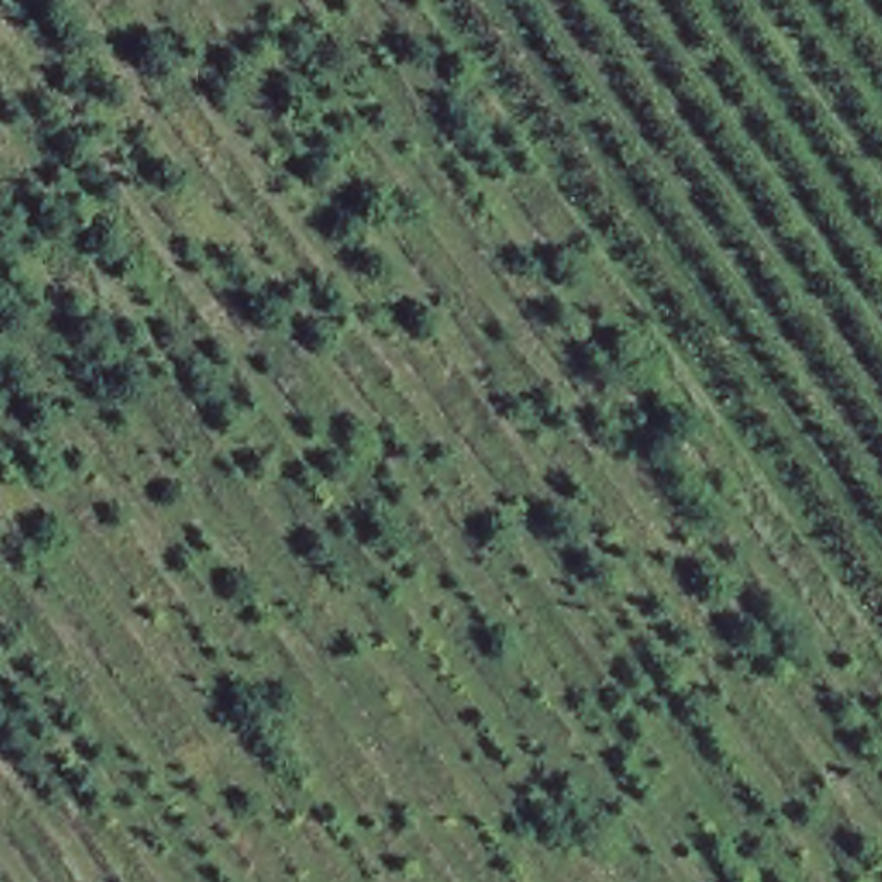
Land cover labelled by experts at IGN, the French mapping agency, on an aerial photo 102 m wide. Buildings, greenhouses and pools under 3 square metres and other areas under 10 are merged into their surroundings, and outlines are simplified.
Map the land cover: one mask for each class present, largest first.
<instances>
[{"label":"herbaceous vegetation","instance_id":"1","mask_svg":"<svg viewBox=\"0 0 882 882\"><path fill-rule=\"evenodd\" d=\"M65 69V41L55 28L48 0H0V193L14 186V200L24 207V214L38 210L41 196L28 189V179L21 172L38 169L45 183H52L65 158L76 152L62 134H52L38 145L31 121L59 90ZM86 31H100L107 38L110 52L103 55L100 72L117 83V93H124L121 103L110 107L103 100H93L90 110L79 100H72V114H86V121L103 124L100 134L79 145V152L86 155V162L107 172V162H121V155L110 148L124 138V127L141 124L148 145V152L134 158L145 186H117V200L131 210L152 255L145 258V269H124V262H107L100 269L107 276L100 283V310L114 314L117 341L148 327L155 345L172 338L176 351L196 345L203 358H214L217 348L231 358H241L245 365L238 369V379L248 386L252 403H265L272 407V413L258 420L255 434L241 444V438L227 431V420L214 403L200 410L189 403V393H196V376L183 355L172 358L176 372L169 376H162V365L148 369V376L155 379L152 400L145 407L124 403L121 413H96V407L90 403L96 389L83 376V365L103 351L83 341L72 289L48 283L45 296L52 314L31 334L38 355L34 365L41 379L34 393L65 396L72 403V410H62V448H79V458L96 455V465L83 486H72L69 493L48 500L45 489H31L28 482L10 489L0 482V724L7 727L24 765L52 792V799L41 803L10 768V761L0 758V882H513L503 868H489V858L472 837V827L479 823L486 827L489 841L510 861L520 882H851V854H858L865 834H875L882 827V772L851 755L865 744V727H844L837 734L830 730V717L817 706L813 686L792 682L782 696V689L768 679L775 668L748 641V627L779 596L789 593L817 627L820 644L827 651V665L820 668L817 682H827L841 696L844 710L861 703L868 713L882 720V620L861 606L851 586L841 582L837 558L820 551L813 524L803 517V503L792 489L806 479L817 482L820 496L830 506V517L844 527L854 555L868 568L865 586H872L882 596V534L858 517L827 458L803 434L799 420L779 400V393L765 382L761 365L748 358L744 345H737L730 334H717L713 345L727 358L730 376L744 382L748 403L755 410L741 413L737 420L724 417L720 403L706 389V372L699 365L693 369L682 358L679 345L668 338V327L658 317V303L627 279L624 269L627 255L644 248L658 262V276L668 283V289H675L686 317H699L710 307V296L703 293L696 272L679 258L665 231L634 203L627 183L617 176L610 158L596 148L593 134L586 131V121H606L613 127L624 158L651 179V186L662 193L665 210L679 214V224L706 252L720 283L737 300V310L748 317L751 331L761 334L765 351L779 358V365L792 376L796 389L806 396L813 420L834 434V441H841L844 458L854 469V479L865 482L868 493L882 489V462L858 441L854 427L830 403L827 389L817 382V376H810L803 355L782 338L765 303L755 296L744 269L734 262V252L720 248L717 231L693 207L686 179H679L672 162H665L658 148H651L641 138L634 117L613 96L596 55L575 45L551 0H524L531 3L548 45L565 59V69L575 76V86L586 90L579 103H568L562 100L558 86L537 62V55L527 52L524 31L503 7V0H469L479 14L489 17V31L496 34L489 41H479L475 52L486 59L489 52H496V41L503 45L510 65L537 90V100L541 107H548L551 121L565 124V131L575 141V152L596 176L599 193L593 196V203L599 217L589 224L586 214L558 189V162L548 155L544 141L531 138V121L524 117V124L513 134L503 127L510 110L500 100L496 76L489 72L482 83H475L486 93V100L475 114H489L496 121L493 141L503 148L513 172L500 179L479 176L469 183L475 196L486 200L479 214H472L469 203L455 193L451 179L441 172V158L462 165L469 158L479 165L486 162V152H479L475 145L455 148L448 141L458 131V121L448 103L451 79L462 72L458 55L451 52L472 41V34L458 31L451 17L441 14L438 0H62ZM289 3L296 14H314L317 24L338 41V59L320 72V83L331 86V96H310L300 103L289 96L283 72L269 69L262 79V110H269V124L252 131L245 121H238V127H231L210 107V100H217L227 86L231 62L245 52H258L269 17ZM152 28H179L186 34L189 55L165 59V76L155 79V96H145L134 65L145 59ZM317 162L341 186L331 189V200L314 210L310 224H303L293 214L296 200L286 193V186L293 179L303 183ZM382 183L396 186L400 207H420L434 196L441 217L438 224L417 234H407V224L365 227V248H355L348 241V224L355 214H365L369 200L379 193ZM617 217L627 224L634 238L610 248V255L596 269V286L586 289L575 276L568 286H562L558 255L575 248L589 252L586 241L603 234ZM189 238L207 241V255L217 269L234 255L245 265V272H252L262 283L286 279L296 269L314 265L320 286L341 303V314L355 307V338L338 358L324 355L314 334V327L324 320V310L314 303L293 320V331L286 324L258 327L262 310L252 303L248 289H224V296L214 300L203 279L193 276L196 265L189 258ZM431 289H444L441 303L451 310V320H438L431 327L441 348L431 358H420L417 300ZM565 303H586L582 317L589 320V334L599 341V348L606 351L620 345L627 355L637 358V372L651 386L648 393H637V403L648 417L644 427L624 431V441L634 448V458H613L589 438V431L599 427L596 407L603 403V389L586 382L596 372V362L558 317V307ZM541 382L551 386L555 410L579 407L575 427H548L541 438H534L531 427L517 431V424L506 417L513 410L510 393L534 389ZM668 403H679L686 410L696 407L699 413H706V431L699 444L682 441L679 465L699 469L713 489L727 486L737 496V510H730V517L724 520L727 541L713 544L717 558L724 562H730L734 551L748 558L744 589L730 610H724L706 593V575L699 572V562L693 558L686 534L668 537V513L693 524L699 506V500L679 493V472L662 469L651 451L668 424ZM358 420H372L379 427V465H386L389 482L400 486L396 503L379 496L372 472L358 479L348 493L351 506H341L334 500L327 479L334 475V462L351 455V427ZM272 448L289 458L283 465V479L265 493L252 496V472H258L262 458ZM444 451H462L458 469L448 475V482L455 486L451 500H441L434 489V462ZM513 489H524L534 500L527 503L531 537L520 544V558L510 572L506 565H486L482 555L493 524L500 520L503 506L513 503ZM572 489L596 503V513L586 544L562 551V562H555L541 548V541L555 537L558 527L551 520V510L562 500H568ZM45 513L52 520L69 517L76 527L69 596L55 593L48 582L45 589H34V579L21 572L24 544L38 537ZM314 548L324 562L334 565L338 579L345 582V593L327 589V582L303 565V555H310ZM214 568L238 572L252 586L255 606L234 613L231 603L221 599L210 586ZM276 596L296 603L303 617L293 624H279V634H265L258 620L276 610ZM489 627H496L500 634L520 630L527 637L531 651L517 668H503L493 658L500 641ZM675 627H686V637L696 648L682 668L693 672V682H703V696L693 710L699 713V724L710 727L720 748V761L699 758L693 737L679 724V717H686L689 706L682 693L672 689V679L662 668V662L651 655V644L679 641ZM620 630L630 651L637 655L641 668L651 675L655 693L668 703V710H658L655 699L644 696V713L634 720L637 741L630 744V755L655 768V786L648 792H641V786L624 765V755L613 748L617 724L624 720L617 703L624 689L634 682L624 658L610 644V637H617ZM34 668L48 675L55 699H62L65 713L76 720L69 730H59L52 724L45 699L38 696L34 682H28ZM234 679H276L286 696L303 686L307 706L300 720V737L303 751L314 755V765L320 772L324 803H317L303 786L289 789L286 782H276L269 772L258 768L252 755H245L234 730L224 724L238 710ZM527 734L531 744L544 748V761L555 768L544 792L558 796L565 789L575 799L579 817H586L596 803L606 813H613L606 827L586 830V841H579V848L568 854L548 851L541 844L548 837V820L531 799V789L520 782L531 772V765L527 755H520L517 737ZM69 744H76L79 751V765L72 772H79L83 786L96 792L93 810H83L48 765V755ZM737 782H748L765 806H786L789 820L779 827H765L755 813H744V806L734 799ZM820 786L837 796L830 813L834 848H827L799 827ZM586 17L610 34V45L620 52L624 69L634 76L641 100L655 110L668 145H675L699 169L703 183L720 200V214L755 248L786 310L806 327L810 341L823 345L827 362L854 386L861 413H882V386L858 365L837 324L823 310V300L806 293L799 272L775 248L768 227L755 221L748 200L713 162L703 141L693 134V127L682 121L672 93L655 79L644 52L624 31L620 17L606 7V0H579ZM644 10V28L655 31L668 55L679 62L686 93L696 96L699 107L710 114V127L730 148L734 162H748L755 169V179L768 186V200L775 203V214L786 224V231L806 245L827 283L841 289L844 303L861 320L858 331L865 334L868 351L882 348V307L861 296L858 286L848 279L827 238L803 214L779 165L744 131L737 107H730L720 96L713 79L727 69L741 76L744 96L768 117V127L782 134V141L792 148L810 186L820 196V207L841 227L844 241L858 252L865 276L882 272V238L861 224V217L851 214L844 189L827 172L823 158L810 148L799 124L789 121L768 79L727 34L720 14L713 10V0H689L696 28L703 31V45L689 48L679 41L675 24L658 7V0H630ZM744 21L758 28L772 59L786 65V76L792 79L796 93L817 107L820 127L827 131L830 145L844 155V162L854 169V179L865 189L882 179V162L861 152L858 138L834 107V96L806 76L799 45L789 38L786 28L772 21L761 0H737ZM789 14H796L806 24V31L827 52L834 69H841L854 86L865 124L875 127L882 121V31L875 38H865L858 28L848 24V14L837 10L834 0H789ZM34 420L28 396L10 400L7 413L0 410V441H7L24 475L38 469V458L24 444Z\"/></svg>","mask_w":882,"mask_h":882},{"label":"deciduous trees","instance_id":"2","mask_svg":"<svg viewBox=\"0 0 882 882\"><path fill-rule=\"evenodd\" d=\"M55 28L65 41V69L59 90L31 121L38 145L52 134H62L76 152L65 158L52 183H45L38 169L21 172L28 179V189L41 196L38 210L24 214V207L14 200V186L0 193V410L7 413L10 400L28 396L34 420L24 444L38 458V469L24 475L7 441H0V482L10 489L28 482L31 489H45L48 500L69 493L72 486H83L96 465V455L79 458V448H62V410H72V403L65 396L34 393L41 379L34 365L38 355L31 334L52 314L45 296L48 283L72 289L83 341L103 351L83 365V376L96 389L90 403L96 407V413H121L124 403L145 407L152 400L155 379L148 376V369L162 365V376H169L176 372L172 358L183 355L196 376V393H189V403L200 410L214 403L227 420V431L241 438V444L255 434L258 420L272 413V407L265 403H252L248 386L238 379V369L245 365L241 358H231L217 348L214 358H203L196 345L176 351L172 338L155 345L148 327L117 341L114 314L100 310V283L107 276L100 269L107 262H124V269H145V258L152 255L131 210L117 200V186H145L134 158L148 152V145L141 124L124 127V138L110 148L121 155V162H107V172L86 162V155L79 152V145L100 134L103 124L86 121V114H72V100H79L90 110L93 100H103L110 107L121 103L124 93H117V83L100 72L103 55L110 52L107 38L100 31H86L62 0H48ZM441 14L451 17L458 31L472 34V41L451 52L458 55L462 72L451 79L448 103L458 121V131L448 141L455 148L475 145L479 152H486V162L479 165L469 158L462 165L441 158V172L451 179L455 193L469 203L472 214H479L486 200L475 196L469 183L479 176L500 179L513 172L503 148L493 141L496 121L489 114H475L486 100V93L475 83H482L489 72L496 76L500 100L510 110L503 127L513 134L524 124V117L531 121V138L544 141L548 155L558 162V189L586 214L589 224L599 217L593 203V196L599 193L596 176L575 152V141L565 131V124L551 121L548 107H541L537 100V90L510 65L503 45L496 41V52H489L486 59L475 52L479 41H489L496 34L489 31V17L479 14L469 0H438ZM503 7L524 31L527 52L537 55V62L558 86L562 100L568 103H579L586 90L575 86V76L565 69V59L548 45L531 3L524 0H503ZM575 45L596 55L613 96L634 117L641 138L651 148H658L665 162H672L679 179H686L693 207L717 231L720 248L734 252V262L744 269L755 296L765 303L782 338L803 355L810 376H817V382L827 389L830 403L854 427L858 441L882 462V413H861L854 386L827 362L823 345L810 341L806 327L786 310L755 248L720 214V200L703 183L699 169L675 145H668L655 110L641 100L634 76L624 69L620 52L610 45V34L586 17L579 0H551ZM606 7L620 17L624 31L644 52L655 79L672 93L682 121L693 127V134L703 141L713 162L748 200L755 221L768 227L775 248L799 272L806 293L823 300V310L837 324L858 365L882 386V348L868 351L865 334L858 331L861 320L844 303L841 289L827 283L806 245L786 231V224L775 214V203L768 200V186L755 179V169L748 162H734L730 148L710 127V114L699 107L696 96L686 93L679 62L668 55L655 31L644 28V10L630 0H606ZM658 7L675 24L679 41L689 48L703 45V31L696 28L689 0H658ZM713 10L720 14L727 34L768 79L789 121L799 124L810 148L823 158L827 172L844 189L851 214L861 217V224L882 238V179L865 189L854 179V169L844 162V155L830 145L827 131L820 127L817 107L796 93L792 79L786 76V65L772 59L758 28L744 21L737 0H713ZM772 21L786 28L789 38L799 45L806 76L834 96V107L858 138L861 152L882 162V121L875 127L865 124L854 86L841 69H834L827 52L806 31V24L796 14H789V0H761ZM837 10L848 14V24L858 28L865 38H875L882 31V0H834ZM338 59V41L317 24L314 14H296L289 3L269 17L258 52H245L231 62L227 86L217 100H210V107L231 127H238V121H245L252 131L269 124V110H262V79L269 69L283 72L289 96L300 103L310 96H331V86L320 83V72ZM189 55L186 34L179 28H152L145 59L134 65L145 96H155V79L165 76V59ZM720 96L730 107H737L744 131L779 165L803 214L827 238L848 279L858 286L861 296L882 307V272L865 276L858 252L844 241L841 227L820 207V196L810 186L792 148L782 141V134L768 127V117L744 96L741 76L727 69L713 79ZM586 131L593 134L596 148L610 158L617 176L627 183L634 203L665 231L679 258L696 272L703 293L710 296V307L699 317H686L675 289H668V283L658 276V262L644 248L627 255L624 269L627 279L658 303V317L668 327V338L679 345L682 358L693 369L699 365L706 372V389L720 403L724 417L737 420L741 413L755 410L748 403L744 382L730 376L727 358L713 345L717 334H730L737 345H744L748 358L761 365L765 382L779 393V400L799 420L803 434L827 458L858 517L882 534V489L868 493L865 482L854 479V469L844 458L841 441H834V434L813 420L806 396L796 389L792 376L779 365V358L765 351L761 334L751 331L748 317L737 310V300L720 283L706 252L679 224V214L665 210L662 193L651 186V179L624 158L613 127L606 121H586ZM341 186L317 162L303 183L293 179L286 186V193L296 200L293 214L303 224H310L314 210L331 200V189ZM441 217L434 196L420 207H400L396 186L382 183L379 193L369 200L365 214H355L348 224V241L355 248H365V227L407 224V234H417L438 224ZM634 238L627 224L617 217L603 234L586 241L589 252L575 248L558 255L562 286H568L575 276L586 289L596 286V269L610 255V248ZM189 258L196 265L193 276L203 279L214 300L224 296V289H248L252 303L262 310L258 327L286 324L293 331V320L314 303L324 310V320L314 327V334L324 355L338 358L355 338V307L341 314V303L320 286L314 265L296 269L286 279L262 283L252 272H245V265L234 255L217 269L207 255V241L189 238ZM444 289H431L417 300L420 358H431L441 348L431 327L438 320H451V310L441 303ZM586 303H565L558 307V317L596 362V372L586 382L603 389V403L596 407L599 427L589 431V438L613 458H634V448L624 441V431L644 427L648 417L637 403V393H648L651 386L637 372V358L627 355L620 345L606 351L599 348V341L589 334V320L582 317ZM513 410L506 417L517 424V431L531 427L534 438H541L548 427H575L579 407L555 410L551 386L541 382L534 389L510 393ZM668 424L651 451L662 469L679 472V493L699 500V506L693 524L668 513V537L686 534L693 558L699 562V572L706 575V593L724 610H730L744 589L748 558L734 551L730 562H724L717 558L713 544L727 541L724 520L730 517V510H737V496L727 486L713 489L699 469L679 465L682 441L699 444L706 431V413H699L696 407L686 410L679 403H668ZM379 427L372 420H358L351 427V455L334 462V475L327 479L334 500L341 506H351L348 493L358 479L372 472L379 496L396 503L400 486L389 482L386 465H379ZM289 458L272 448L262 458L258 472H252V496L265 493L283 479V465ZM462 451H444L434 462V489L441 500H451L455 486L448 482V475L458 469ZM803 503V517L813 524L820 551L837 558L841 582L851 586L861 606L882 620V596L872 586H865L868 568L854 555L844 527L830 517V506L820 496L817 482L806 479L792 489ZM534 500L524 489H513V503L503 506L500 520L493 524L482 555L486 565H506L510 572L520 558V544L531 537L527 503ZM596 513V503L572 489L568 500H562L551 510V520L558 527L555 537L541 541V548L555 562H562V551L586 544ZM76 527L69 517L52 520L45 513L38 537L24 544L21 572L34 579V589H45L48 582L55 593L69 596ZM303 565L327 582V589L345 593V582L338 579L334 565L324 562L314 548L310 555H303ZM210 586L221 599L231 603L234 613L255 606L252 586L238 572L214 568ZM748 641L775 668L768 679L782 689V696L792 682L813 686L817 706L830 717V730L837 734L844 727H865V744L851 755L882 772V720L868 713L861 703L844 710L841 696L827 682H817L820 668L827 665V651L820 644L817 627L789 593L779 596L748 627ZM303 617L296 603L276 596V610L258 620L265 634H279V624H293ZM500 641L493 658L503 668H517L531 651L527 637L520 630L500 634L496 627H489ZM679 641L651 644V655L662 662V668L672 679V689L682 693L689 706L686 717H679V724L693 737L699 758L720 761V748L710 727L699 724V713L693 710L703 696V682H693V672L682 668L696 648L686 637V627H675ZM610 644L624 658L634 682L624 689L617 703L624 720L617 724L613 748L624 755V765L641 786V792H648L655 786V768L630 755V744L637 741L634 720L644 713V696L655 699L658 710H668V703L655 693L651 675L641 668L637 655L630 651L620 630L617 637H610ZM28 682H34L38 696L45 699L52 724L59 730H69L76 720L65 713L62 699H55L48 675L34 668ZM238 710L224 724L234 730L245 755H252L258 768L269 772L276 782H286L289 789L303 786L317 803H324L320 772L314 765V755L303 751L300 737V720L307 706L303 686L286 696L276 679H234ZM0 758L10 761V768L41 803L52 799V792L24 765L7 727L0 724ZM520 755H527L531 765V772L520 782L531 789V799L548 820V837L541 844L548 851L568 854L579 848V841H586V830L606 827L613 813H606L596 803L586 817H579L575 799L565 789L558 796L544 792L555 768L544 761V748L531 744L527 734L517 737ZM48 765L83 810H93L96 792L83 786L79 772H72L79 765V751L76 744H69L48 755ZM734 799L744 806V813H755L765 827H779L789 820L786 806H765L748 782H737ZM837 796L820 786L799 827L827 848H834L830 813ZM472 837L489 858V868H503L513 882H520L510 861L489 841L486 827L479 823L472 827ZM851 882H882V827L875 834H865L858 854H851Z\"/></svg>","mask_w":882,"mask_h":882}]
</instances>
